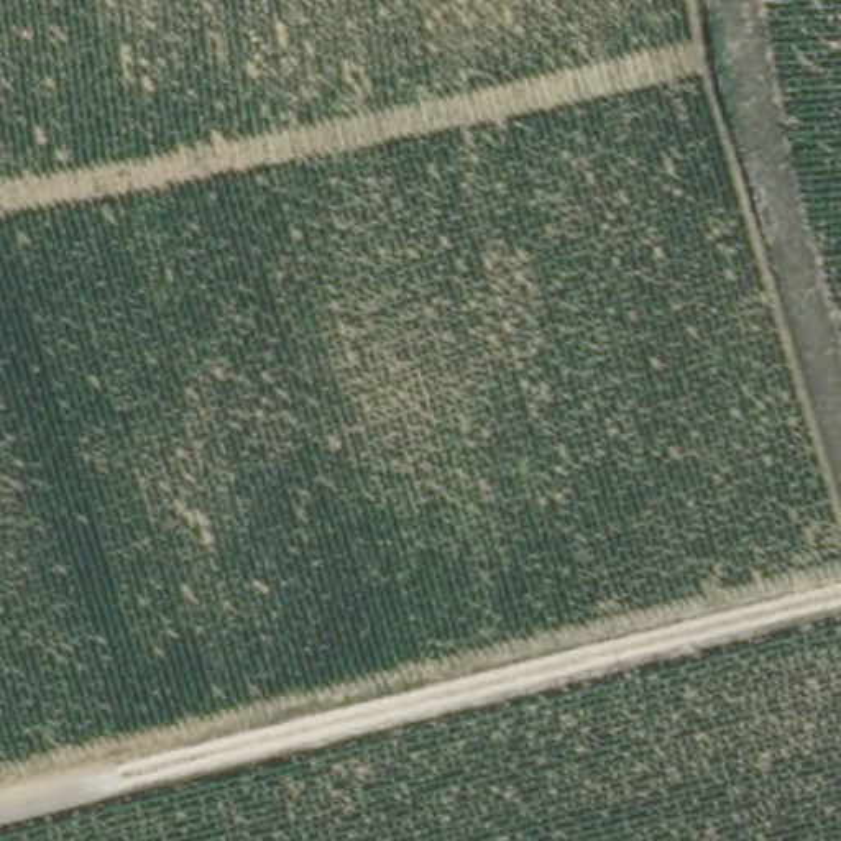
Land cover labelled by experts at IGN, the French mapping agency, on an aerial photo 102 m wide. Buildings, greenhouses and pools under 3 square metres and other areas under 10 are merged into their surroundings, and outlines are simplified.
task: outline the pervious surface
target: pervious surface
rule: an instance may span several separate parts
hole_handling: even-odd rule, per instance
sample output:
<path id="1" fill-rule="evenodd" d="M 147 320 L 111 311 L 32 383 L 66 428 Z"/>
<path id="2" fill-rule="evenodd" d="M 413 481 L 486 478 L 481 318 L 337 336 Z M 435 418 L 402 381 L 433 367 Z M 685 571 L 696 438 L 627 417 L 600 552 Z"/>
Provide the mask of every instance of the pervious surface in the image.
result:
<path id="1" fill-rule="evenodd" d="M 578 677 L 598 677 L 618 664 L 690 654 L 706 644 L 749 637 L 765 627 L 788 624 L 795 618 L 841 611 L 841 578 L 828 578 L 818 588 L 802 588 L 775 601 L 693 618 L 673 627 L 631 634 L 526 660 L 516 667 L 486 670 L 371 703 L 355 703 L 345 710 L 299 716 L 279 726 L 250 729 L 200 746 L 168 749 L 158 756 L 141 756 L 115 765 L 56 772 L 0 788 L 0 825 L 59 811 L 69 805 L 99 802 L 168 779 L 266 759 L 286 749 L 322 746 L 332 739 L 437 716 L 460 706 L 493 703 L 499 696 L 555 687 Z"/>

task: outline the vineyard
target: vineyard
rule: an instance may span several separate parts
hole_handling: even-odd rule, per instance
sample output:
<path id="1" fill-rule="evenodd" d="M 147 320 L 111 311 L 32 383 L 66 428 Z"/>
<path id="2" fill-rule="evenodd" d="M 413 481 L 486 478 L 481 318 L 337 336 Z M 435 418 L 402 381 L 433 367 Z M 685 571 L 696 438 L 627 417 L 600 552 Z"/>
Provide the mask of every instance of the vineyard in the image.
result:
<path id="1" fill-rule="evenodd" d="M 631 634 L 673 627 L 693 618 L 775 601 L 802 588 L 818 588 L 828 578 L 841 578 L 841 0 L 0 0 L 0 788 L 56 772 L 115 765 L 141 756 L 158 756 L 168 749 L 200 746 L 250 729 L 279 726 L 299 716 L 345 710 L 355 703 L 371 703 L 486 670 L 516 667 L 526 660 Z"/>
<path id="2" fill-rule="evenodd" d="M 706 644 L 690 654 L 618 664 L 598 677 L 578 677 L 555 687 L 499 696 L 493 703 L 460 706 L 437 716 L 332 739 L 322 746 L 286 749 L 266 759 L 168 779 L 99 802 L 69 805 L 59 811 L 0 825 L 0 841 L 841 841 L 841 611 L 795 618 L 788 624 L 765 627 L 749 637 Z"/>

